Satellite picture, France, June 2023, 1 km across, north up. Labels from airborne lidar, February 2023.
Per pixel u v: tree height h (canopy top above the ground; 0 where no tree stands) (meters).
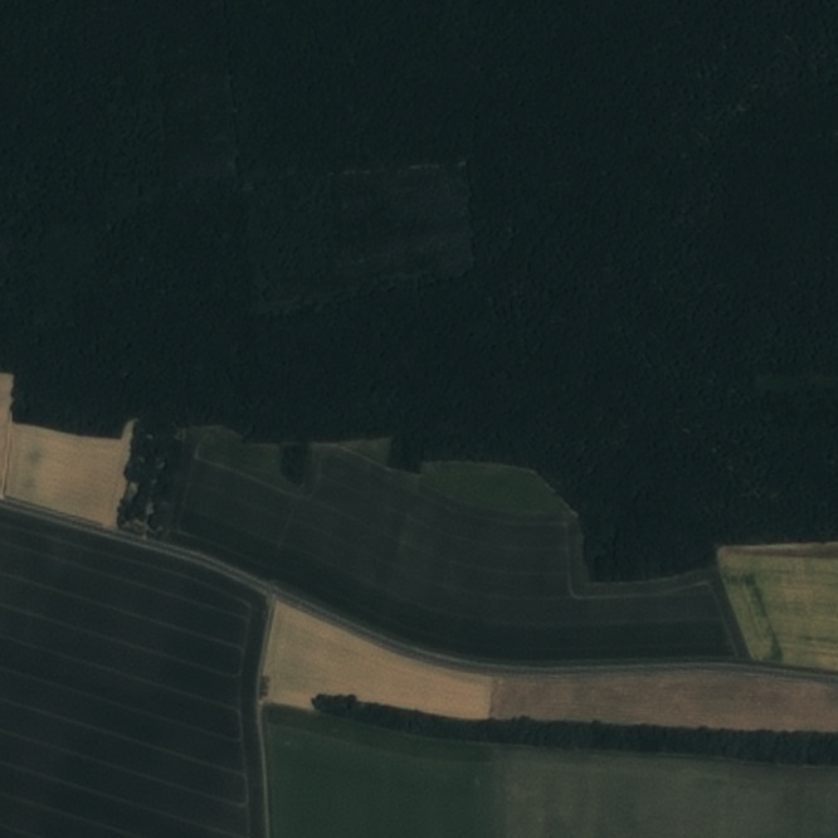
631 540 15
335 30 19
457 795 0
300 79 18
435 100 18
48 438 0
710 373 16
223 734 0
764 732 10
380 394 20
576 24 17
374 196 8
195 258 18
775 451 19
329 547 0
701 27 19
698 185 18
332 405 20
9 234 20
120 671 0
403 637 0
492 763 0
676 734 14
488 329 20
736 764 0
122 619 0
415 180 8
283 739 0
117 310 20
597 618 0
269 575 0
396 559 0
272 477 0
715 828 0
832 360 17
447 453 15
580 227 16
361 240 9
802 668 0
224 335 18
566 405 17
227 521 0
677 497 18
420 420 17
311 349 19
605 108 16
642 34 16
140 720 0
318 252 19
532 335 18
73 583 0
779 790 0
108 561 0
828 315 16
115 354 18
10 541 0
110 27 10
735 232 14
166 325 17
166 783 0
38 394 17
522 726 7
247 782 0
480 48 17
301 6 16
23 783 0
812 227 13
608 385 18
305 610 0
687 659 0
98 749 0
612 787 0
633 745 7
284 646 0
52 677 0
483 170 15
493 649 0
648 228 18
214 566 0
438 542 0
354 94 16
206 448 0
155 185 14
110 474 0
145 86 12
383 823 0
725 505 19
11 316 17
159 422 19
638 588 0
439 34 16
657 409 13
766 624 0
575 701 0
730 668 0
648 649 0
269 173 15
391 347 22
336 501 0
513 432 18
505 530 0
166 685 0
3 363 17
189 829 0
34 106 12
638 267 18
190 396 18
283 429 17
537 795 0
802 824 0
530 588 0
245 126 13
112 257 17
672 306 17
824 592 0
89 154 17
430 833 0
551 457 16
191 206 20
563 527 0
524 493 0
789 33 21
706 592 0
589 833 0
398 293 17
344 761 0
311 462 0
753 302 18
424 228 9
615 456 13
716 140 15
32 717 0
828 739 10
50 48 15
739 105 20
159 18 10
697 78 17
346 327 19
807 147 15
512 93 14
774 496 17
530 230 16
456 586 0
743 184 14
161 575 0
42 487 0
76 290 22
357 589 0
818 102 15
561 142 13
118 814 0
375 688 0
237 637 0
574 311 16
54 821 0
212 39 10
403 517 0
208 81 7
